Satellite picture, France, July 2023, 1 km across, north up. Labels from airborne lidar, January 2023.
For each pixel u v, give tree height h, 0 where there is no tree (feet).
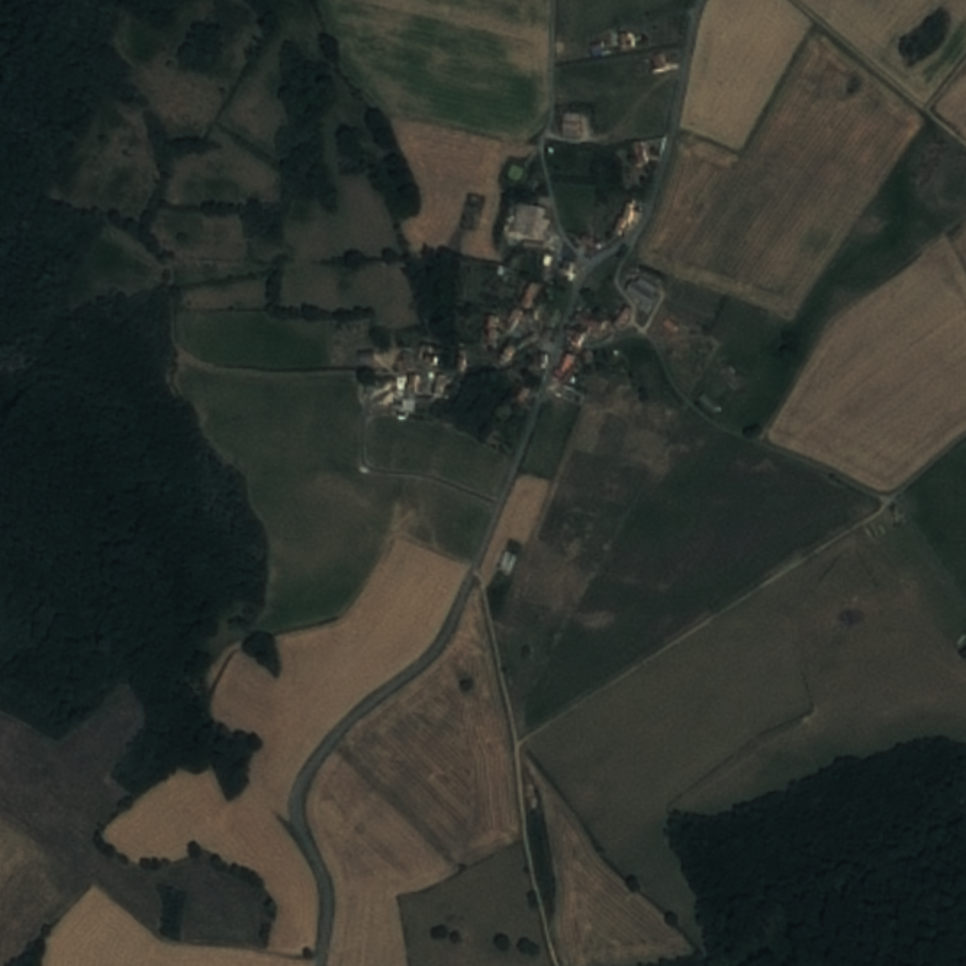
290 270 0
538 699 0
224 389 0
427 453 0
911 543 0
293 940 0
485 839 0
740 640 0
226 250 0
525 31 0
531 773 0
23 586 56
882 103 0
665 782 0
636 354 0
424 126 0
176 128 0
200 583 59
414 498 0
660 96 0
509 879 0
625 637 0
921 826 61
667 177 0
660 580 0
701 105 0
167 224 0
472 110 0
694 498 0
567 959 0
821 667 0
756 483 0
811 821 31
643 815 0
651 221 0
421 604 0
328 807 0
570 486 0
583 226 0
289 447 0
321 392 0
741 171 0
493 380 30
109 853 42
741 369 0
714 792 0
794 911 84
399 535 0
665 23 0
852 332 0
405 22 0
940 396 0
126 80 41
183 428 29
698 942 0
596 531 0
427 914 0
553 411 0
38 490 91
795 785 48
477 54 0
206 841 0
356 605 0
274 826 0
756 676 0
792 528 0
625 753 0
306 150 36
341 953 0
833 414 0
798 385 0
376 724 0
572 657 0
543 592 0
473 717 0
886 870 69
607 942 0
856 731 0
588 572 0
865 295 0
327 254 0
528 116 0
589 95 0
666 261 0
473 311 31
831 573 0
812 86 0
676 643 0
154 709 58
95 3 52
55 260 24
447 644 0
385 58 0
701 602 0
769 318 0
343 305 0
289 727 0
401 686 0
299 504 0
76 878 0
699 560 0
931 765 26
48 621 54
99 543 85
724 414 0
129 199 0
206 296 0
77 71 57
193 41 43
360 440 0
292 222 0
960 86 0
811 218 0
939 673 0
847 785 35
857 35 0
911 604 0
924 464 0
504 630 0
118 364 18
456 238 0
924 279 0
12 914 0
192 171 0
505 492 0
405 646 0
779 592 0
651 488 0
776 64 0
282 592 0
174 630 87
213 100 0
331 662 0
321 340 0
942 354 0
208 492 42
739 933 64
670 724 0
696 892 33
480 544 0
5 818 0
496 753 0
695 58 0
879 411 0
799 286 0
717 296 0
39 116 61
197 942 0
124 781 30
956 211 0
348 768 0
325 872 0
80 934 0
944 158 0
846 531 0
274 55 0
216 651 0
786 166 0
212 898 0
